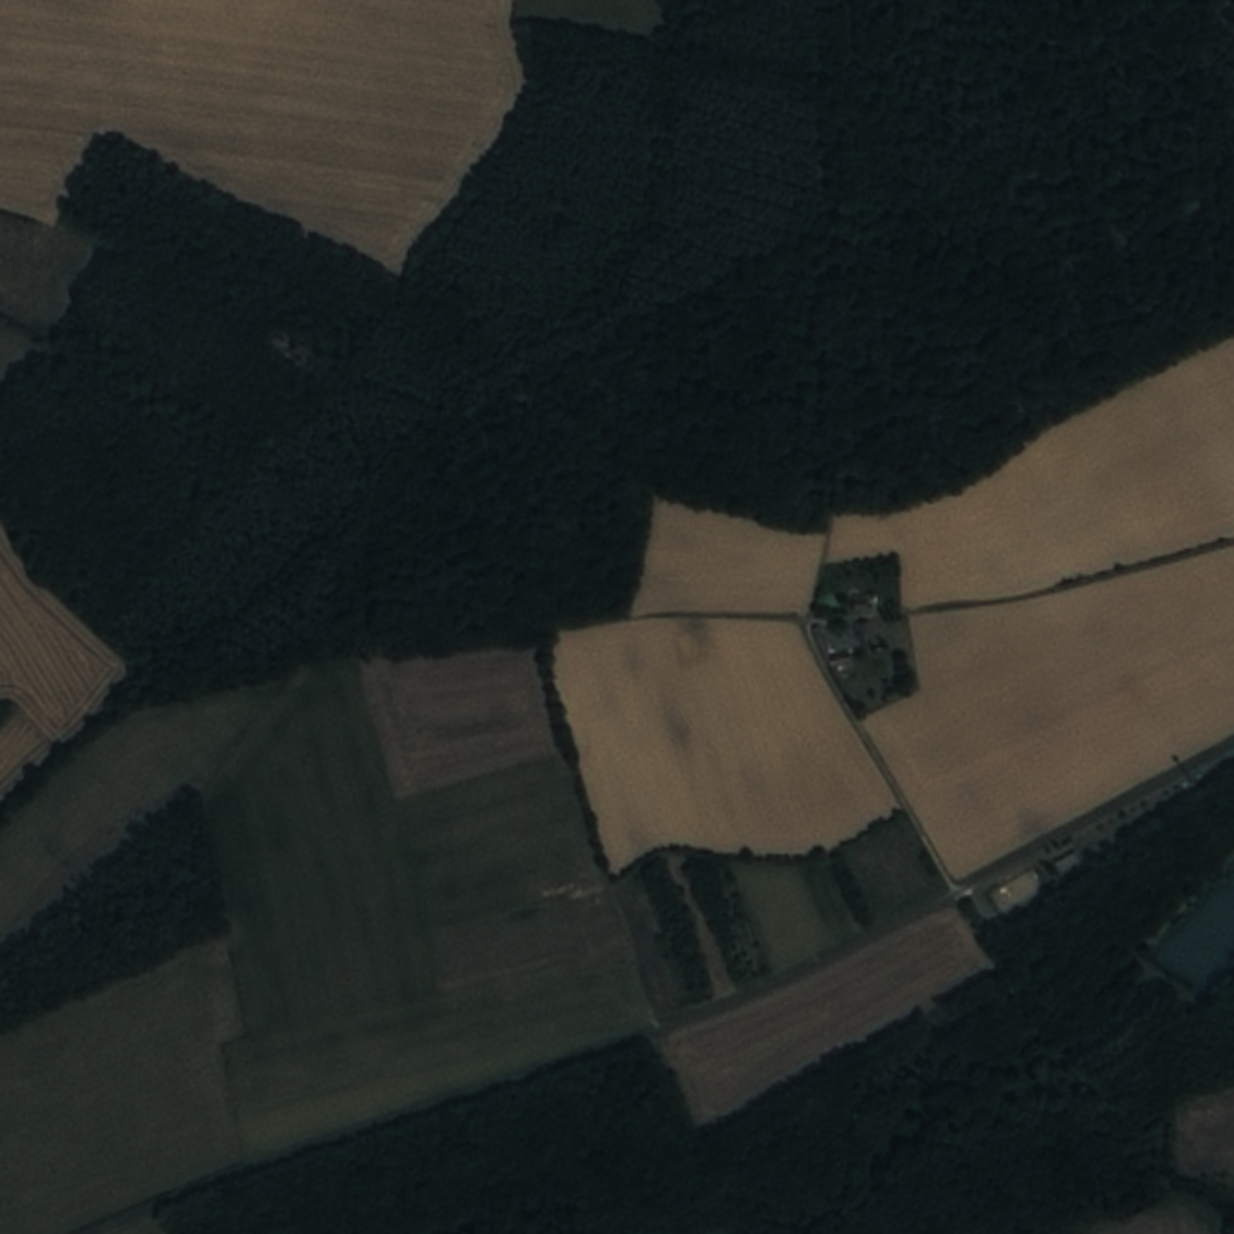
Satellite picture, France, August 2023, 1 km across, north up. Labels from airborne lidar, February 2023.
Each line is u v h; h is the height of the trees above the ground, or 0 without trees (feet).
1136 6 76
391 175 0
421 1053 0
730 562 0
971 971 0
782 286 48
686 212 45
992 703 0
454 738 0
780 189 46
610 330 45
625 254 29
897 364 54
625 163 63
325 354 65
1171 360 47
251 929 0
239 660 64
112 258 66
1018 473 0
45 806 0
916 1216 76
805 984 0
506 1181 66
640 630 0
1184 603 0
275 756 0
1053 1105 74
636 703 0
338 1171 62
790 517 47
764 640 0
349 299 73
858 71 55
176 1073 0
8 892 0
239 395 79
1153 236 69
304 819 0
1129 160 75
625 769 0
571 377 53
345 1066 0
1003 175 42
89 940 62
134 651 44
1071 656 0
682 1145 47
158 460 74
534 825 0
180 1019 0
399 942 0
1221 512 0
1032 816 0
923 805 0
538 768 0
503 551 76
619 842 0
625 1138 66
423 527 48
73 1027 0
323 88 0
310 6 0
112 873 62
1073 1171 54
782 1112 44
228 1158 0
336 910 0
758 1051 0
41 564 67
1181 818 53
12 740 0
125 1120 0
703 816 0
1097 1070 101
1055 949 82
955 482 61
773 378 65
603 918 0
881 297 57
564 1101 59
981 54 67
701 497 59
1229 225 40
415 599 50
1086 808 0
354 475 71
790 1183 72
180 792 0
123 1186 0
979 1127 71
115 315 79
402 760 0
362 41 0
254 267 65
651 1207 69
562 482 93
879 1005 0
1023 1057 60
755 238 43
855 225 65
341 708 0
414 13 0
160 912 66
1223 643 0
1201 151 55
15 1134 0
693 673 0
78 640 0
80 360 74
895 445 66
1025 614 0
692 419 71
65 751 46
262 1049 0
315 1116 0
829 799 0
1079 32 65
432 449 46
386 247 0
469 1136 46
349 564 53
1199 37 81
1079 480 0
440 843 0
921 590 0
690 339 42
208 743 0
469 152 0
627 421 79
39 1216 0
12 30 0
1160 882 63
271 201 0
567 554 75
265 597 75
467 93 0
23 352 0
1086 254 73
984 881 0
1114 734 0
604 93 59
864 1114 59
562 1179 72
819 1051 0
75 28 0
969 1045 73
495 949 0
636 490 67
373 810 0
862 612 0
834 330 78
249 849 0
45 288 0
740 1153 52
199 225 65
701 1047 0
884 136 44
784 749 0
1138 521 0
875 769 0
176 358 88
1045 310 51
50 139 0
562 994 0
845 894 25
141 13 0
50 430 79
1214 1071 58
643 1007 0
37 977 64
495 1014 0
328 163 0
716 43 58
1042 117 49
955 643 0
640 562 40
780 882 0
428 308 43
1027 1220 66
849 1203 73
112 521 70
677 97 51
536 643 34
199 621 68
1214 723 0
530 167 61
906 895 0
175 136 0
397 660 36
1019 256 78
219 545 65
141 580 65
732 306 45
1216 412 0
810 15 65
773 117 44
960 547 0
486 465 83
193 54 0
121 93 0
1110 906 67
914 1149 41
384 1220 62
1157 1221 0
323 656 44
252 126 0
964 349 63
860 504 45
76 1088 0
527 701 0
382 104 0
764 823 0
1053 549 0
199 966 0
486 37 0
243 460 48
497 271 64
